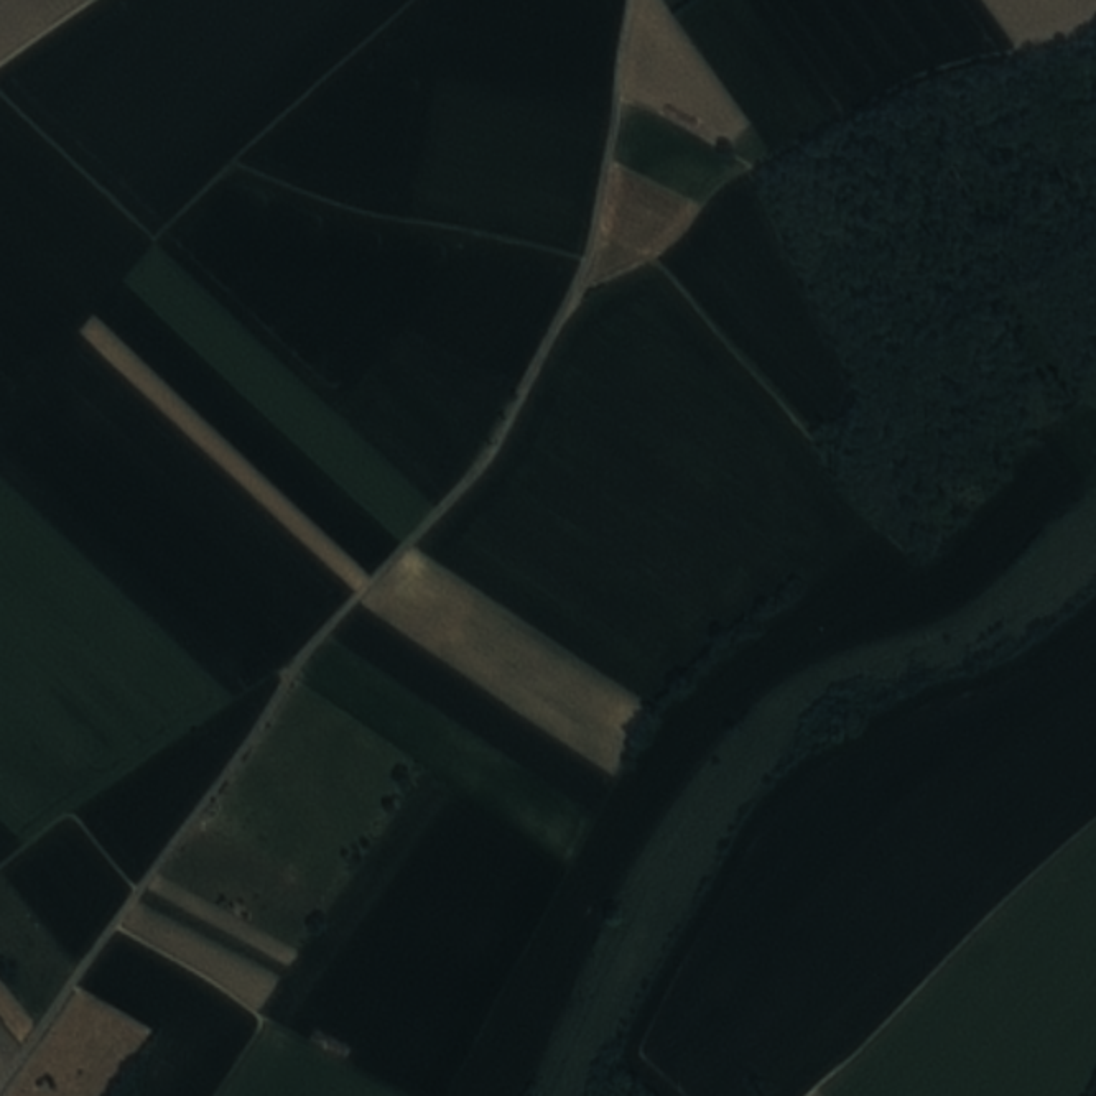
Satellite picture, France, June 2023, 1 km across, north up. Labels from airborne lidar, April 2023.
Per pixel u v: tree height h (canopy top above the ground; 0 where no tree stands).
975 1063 0
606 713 0
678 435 0
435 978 0
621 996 0
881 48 0
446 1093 0
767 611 10
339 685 0
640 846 0
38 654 0
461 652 0
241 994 0
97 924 0
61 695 0
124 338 0
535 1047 0
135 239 0
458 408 0
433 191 0
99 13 0
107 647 0
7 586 0
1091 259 24
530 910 0
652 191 0
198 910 0
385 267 0
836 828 0
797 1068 0
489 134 0
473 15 0
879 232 18
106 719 0
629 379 0
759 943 0
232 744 0
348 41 0
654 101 0
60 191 0
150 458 0
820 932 0
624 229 0
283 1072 0
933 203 23
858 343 21
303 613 0
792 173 16
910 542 17
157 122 0
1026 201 23
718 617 0
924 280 23
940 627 0
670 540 0
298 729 0
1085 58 20
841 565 0
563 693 0
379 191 0
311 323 0
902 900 0
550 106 0
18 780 0
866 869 0
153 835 0
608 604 0
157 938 0
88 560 0
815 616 0
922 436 21
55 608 0
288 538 0
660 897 0
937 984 0
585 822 0
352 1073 0
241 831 0
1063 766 0
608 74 0
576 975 0
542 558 0
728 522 0
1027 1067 0
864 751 0
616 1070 17
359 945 0
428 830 0
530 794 0
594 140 0
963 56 0
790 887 0
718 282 0
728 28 0
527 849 0
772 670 0
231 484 0
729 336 0
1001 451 19
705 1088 0
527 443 0
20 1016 0
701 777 0
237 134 0
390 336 0
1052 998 0
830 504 0
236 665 0
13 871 0
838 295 19
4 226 0
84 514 0
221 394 0
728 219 0
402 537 0
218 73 0
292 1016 0
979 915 0
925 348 22
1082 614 0
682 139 0
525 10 0
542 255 0
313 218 0
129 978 0
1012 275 19
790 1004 0
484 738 0
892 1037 0
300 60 0
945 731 0
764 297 0
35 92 0
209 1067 0
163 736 0
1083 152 20
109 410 0
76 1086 0
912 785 0
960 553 0
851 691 8
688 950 0
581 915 0
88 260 0
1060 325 25
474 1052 0
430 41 0
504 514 0
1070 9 0
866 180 23
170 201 0
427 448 0
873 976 0
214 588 0
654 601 0
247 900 0
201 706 0
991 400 22
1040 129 22
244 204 0
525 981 0
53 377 0
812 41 0
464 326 0
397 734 0
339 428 0
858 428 20
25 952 0
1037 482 0
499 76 0
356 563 0
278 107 0
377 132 0
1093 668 0
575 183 0
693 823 0
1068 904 0
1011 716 0
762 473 0
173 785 0
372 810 0
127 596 0
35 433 0
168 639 0
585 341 0
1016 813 0
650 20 0
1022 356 23
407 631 0
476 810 0
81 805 0
